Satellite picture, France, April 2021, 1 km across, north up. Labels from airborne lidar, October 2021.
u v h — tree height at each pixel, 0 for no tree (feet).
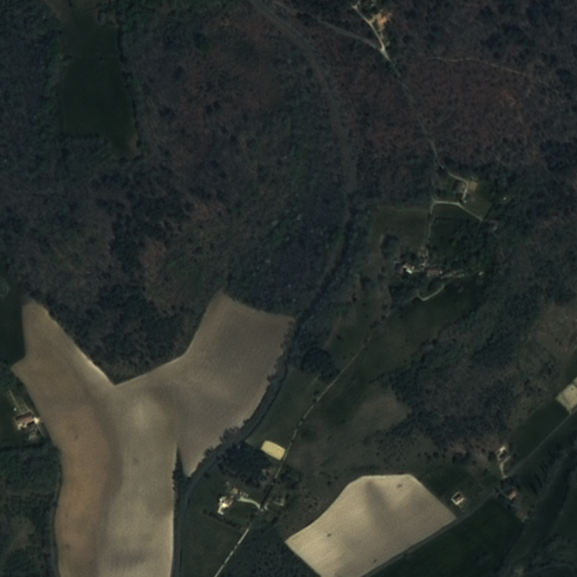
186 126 30
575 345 62
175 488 18
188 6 51
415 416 41
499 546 0
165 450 0
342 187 49
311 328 81
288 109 25
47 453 67
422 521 0
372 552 0
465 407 63
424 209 60
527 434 0
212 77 23
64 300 48
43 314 0
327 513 0
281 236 83
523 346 37
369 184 19
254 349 0
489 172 41
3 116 62
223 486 0
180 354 30
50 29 67
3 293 0
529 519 27
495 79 45
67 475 0
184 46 61
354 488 0
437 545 0
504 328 40
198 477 0
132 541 0
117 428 0
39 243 82
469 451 47
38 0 53
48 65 59
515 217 63
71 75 0
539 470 0
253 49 20
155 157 52
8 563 25
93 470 0
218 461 23
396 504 0
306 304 70
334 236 69
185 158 25
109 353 62
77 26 0
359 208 60
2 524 25
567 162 77
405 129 26
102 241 41
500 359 51
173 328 60
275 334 0
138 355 60
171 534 0
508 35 86
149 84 58
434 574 0
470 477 0
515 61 18
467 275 34
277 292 66
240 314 0
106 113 0
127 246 79
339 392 0
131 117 0
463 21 38
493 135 24
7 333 0
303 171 57
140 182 74
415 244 0
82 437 0
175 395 0
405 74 41
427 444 0
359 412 0
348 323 44
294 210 65
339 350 0
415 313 0
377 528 0
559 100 61
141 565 0
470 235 21
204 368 0
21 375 0
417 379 45
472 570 0
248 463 46
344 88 22
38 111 69
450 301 0
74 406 0
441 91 25
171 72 51
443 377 34
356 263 64
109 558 0
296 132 68
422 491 0
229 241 60
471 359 48
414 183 26
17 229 82
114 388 0
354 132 20
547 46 21
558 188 83
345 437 0
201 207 51
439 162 48
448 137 44
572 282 49
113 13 31
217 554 0
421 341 0
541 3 34
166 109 52
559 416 0
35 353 0
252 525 48
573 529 0
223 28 25
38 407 0
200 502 0
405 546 0
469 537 0
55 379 0
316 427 0
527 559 0
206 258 30
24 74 70
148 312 65
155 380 0
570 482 51
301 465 0
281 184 55
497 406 57
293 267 56
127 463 0
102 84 0
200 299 59
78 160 72
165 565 0
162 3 28
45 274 91
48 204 79
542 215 90
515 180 47
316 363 62
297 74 87
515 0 102
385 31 27
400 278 0
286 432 0
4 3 31
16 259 66
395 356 0
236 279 72
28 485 70
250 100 23
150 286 22
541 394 40
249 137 77
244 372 0
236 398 0
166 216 79
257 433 0
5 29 81
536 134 26
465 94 40
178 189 57
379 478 0
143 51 54
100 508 0
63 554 0
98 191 75
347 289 59
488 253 65
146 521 0
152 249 31
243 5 55
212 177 54
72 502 0
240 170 53
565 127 36
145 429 0
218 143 52
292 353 41
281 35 45
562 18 72
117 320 31
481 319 54
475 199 0
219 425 0
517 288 75
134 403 0
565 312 0
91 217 59
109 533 0
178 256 40
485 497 0
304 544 0
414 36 24
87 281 63
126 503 0
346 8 72
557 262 75
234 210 49
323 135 73
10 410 0
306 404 0
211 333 0
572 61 33
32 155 83
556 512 0
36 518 26
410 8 24
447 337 61
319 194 41
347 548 0
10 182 54
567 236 71
